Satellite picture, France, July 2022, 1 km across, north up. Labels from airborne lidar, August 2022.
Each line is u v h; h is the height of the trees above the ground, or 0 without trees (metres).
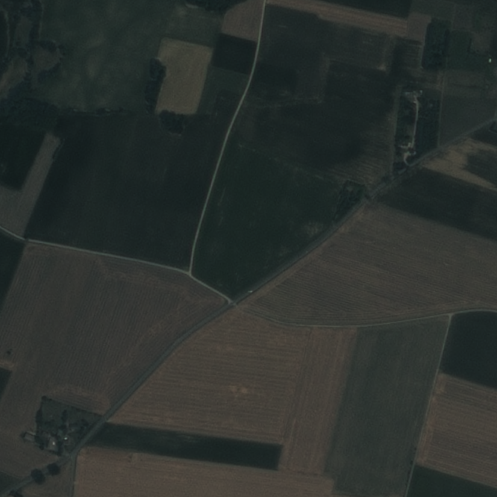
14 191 0
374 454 0
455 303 0
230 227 0
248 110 0
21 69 0
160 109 0
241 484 0
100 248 0
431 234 0
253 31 0
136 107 0
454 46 0
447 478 0
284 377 0
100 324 0
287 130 0
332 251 0
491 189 0
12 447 0
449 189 0
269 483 0
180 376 0
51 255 0
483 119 0
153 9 0
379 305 0
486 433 0
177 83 0
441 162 0
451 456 0
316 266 0
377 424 0
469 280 0
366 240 0
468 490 0
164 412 0
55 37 0
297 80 0
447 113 0
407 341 0
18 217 0
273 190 0
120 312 0
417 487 0
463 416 0
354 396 0
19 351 0
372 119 0
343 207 9
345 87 0
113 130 0
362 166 0
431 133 9
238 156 0
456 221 0
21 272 0
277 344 0
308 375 0
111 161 0
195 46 0
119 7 0
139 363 0
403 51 0
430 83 0
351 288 0
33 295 0
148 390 0
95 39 0
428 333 0
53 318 0
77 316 0
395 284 0
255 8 0
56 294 0
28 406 0
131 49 0
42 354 0
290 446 0
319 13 0
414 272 0
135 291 0
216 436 0
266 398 0
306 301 0
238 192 0
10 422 0
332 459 0
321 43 0
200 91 0
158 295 0
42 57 0
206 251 0
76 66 0
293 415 0
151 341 0
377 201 0
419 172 0
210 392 0
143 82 0
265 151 0
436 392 0
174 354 0
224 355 0
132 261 0
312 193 0
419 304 0
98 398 0
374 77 0
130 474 0
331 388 0
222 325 0
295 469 0
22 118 21
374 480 0
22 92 21
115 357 0
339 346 0
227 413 0
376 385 0
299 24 0
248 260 0
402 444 0
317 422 0
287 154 0
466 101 0
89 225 0
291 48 0
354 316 0
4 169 0
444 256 0
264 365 0
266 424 0
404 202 0
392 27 0
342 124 0
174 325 0
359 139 0
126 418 0
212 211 0
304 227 0
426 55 16
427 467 0
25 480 0
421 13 0
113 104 0
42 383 0
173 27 0
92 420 0
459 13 0
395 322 0
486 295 0
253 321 0
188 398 0
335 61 0
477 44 0
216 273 0
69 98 0
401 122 8
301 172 0
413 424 0
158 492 0
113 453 0
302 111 0
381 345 0
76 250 0
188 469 0
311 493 0
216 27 0
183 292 0
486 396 0
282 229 0
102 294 0
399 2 0
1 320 0
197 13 0
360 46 0
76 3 0
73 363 0
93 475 0
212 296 0
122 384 0
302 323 0
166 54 0
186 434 0
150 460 0
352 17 0
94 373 0
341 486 0
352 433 0
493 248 0
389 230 0
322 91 0
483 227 0
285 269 0
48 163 0
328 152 0
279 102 0
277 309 0
